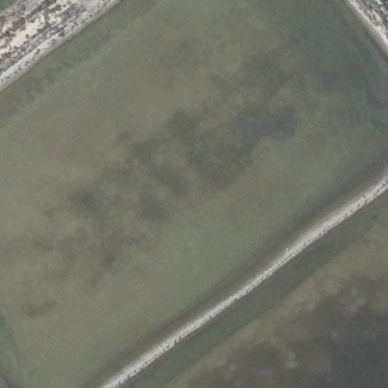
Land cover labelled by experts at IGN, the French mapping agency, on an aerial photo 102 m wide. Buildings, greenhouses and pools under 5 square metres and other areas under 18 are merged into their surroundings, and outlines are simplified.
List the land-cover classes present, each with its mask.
<instances>
[{"label":"water","instance_id":"1","mask_svg":"<svg viewBox=\"0 0 388 388\"><path fill-rule=\"evenodd\" d=\"M388 174V36L383 26H377L374 32L368 29L367 24L356 14L347 0H118L111 8L97 15L95 20L89 21L79 32L70 36L67 41H61L56 47L48 48L41 58L33 61L32 65L26 68L23 74L14 77L11 83L0 85V388H100L120 374L124 368L135 364L145 353L164 343L168 336L232 296L241 286L268 268V265L279 258L286 249L294 246L297 239L302 238L323 221L329 220L333 214L341 211L353 200L359 199ZM117 388H388V189L344 218L341 223L330 227L324 235L314 239L302 252L277 268L246 296L235 300L232 305L206 321L199 329L183 336L171 349L124 380Z\"/></svg>","mask_w":388,"mask_h":388},{"label":"pervious surface","instance_id":"2","mask_svg":"<svg viewBox=\"0 0 388 388\"><path fill-rule=\"evenodd\" d=\"M118 0H58L50 5V8L61 5L59 11L50 14V23H61L62 15L73 3L85 6V12L79 17L71 15L68 18L65 33L70 36L79 32L89 21L95 20L97 15L111 8ZM44 26V14L36 15L33 23H27L23 30H17L14 38L6 36V30L12 27L8 21L0 30V58L11 52L12 48L23 44L27 35H33L39 27ZM61 41V36L47 33V38L38 47L33 48V52L26 53L20 61L0 74V85L11 83L14 77L23 74L26 68L32 65L33 61L41 58L48 48L56 47ZM388 189V174L359 199L353 200L341 211L333 214L329 220L323 221L302 238L297 239L294 246L286 249L279 258L268 265V268L241 286L232 296L168 336L164 343L145 353L135 364L124 368L120 374L100 388H117L124 380L171 349L183 336L199 329L206 321L232 305L235 300L246 296L277 268L302 252L314 239L324 235L330 227L341 223L344 218Z\"/></svg>","mask_w":388,"mask_h":388},{"label":"brushwood","instance_id":"3","mask_svg":"<svg viewBox=\"0 0 388 388\"><path fill-rule=\"evenodd\" d=\"M58 0H0V30L8 21L12 27L6 30V36L14 38L17 30H23L27 23H33L36 15L44 14V26L39 27L33 35H27L23 44L12 48L11 52L0 58V74L20 61L26 53L33 52V48L38 47L47 38V33L61 36V41H67L70 36L65 33L68 18L71 15L79 17L85 12V6L73 3L62 15L61 23H50V14L59 11L61 5L50 8V5ZM356 14L367 24L368 29L374 32L377 26H383L388 36V0H347Z\"/></svg>","mask_w":388,"mask_h":388}]
</instances>
